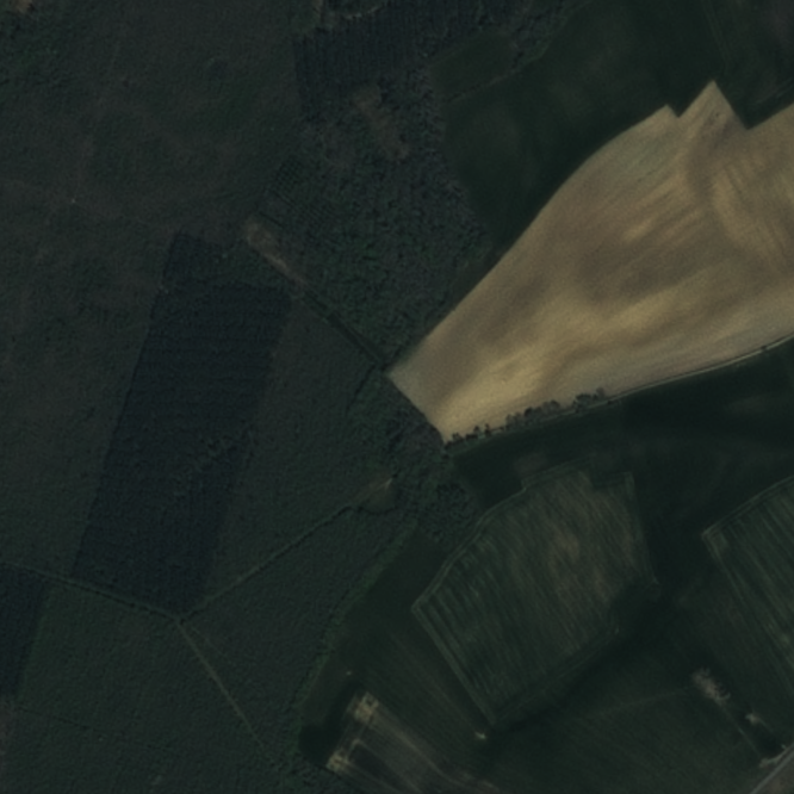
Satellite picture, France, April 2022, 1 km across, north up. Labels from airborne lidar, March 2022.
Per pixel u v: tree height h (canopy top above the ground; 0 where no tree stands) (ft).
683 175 0
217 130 29
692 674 0
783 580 0
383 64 44
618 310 0
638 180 0
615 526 0
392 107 70
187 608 49
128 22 32
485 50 0
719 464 0
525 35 51
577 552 0
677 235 0
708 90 0
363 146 58
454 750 0
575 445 0
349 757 0
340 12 53
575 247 0
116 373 37
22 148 32
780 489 0
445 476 70
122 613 39
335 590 42
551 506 0
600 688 0
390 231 69
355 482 35
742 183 0
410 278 63
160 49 39
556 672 0
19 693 52
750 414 0
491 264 0
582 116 0
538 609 0
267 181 41
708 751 0
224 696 26
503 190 0
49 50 31
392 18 48
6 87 45
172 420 52
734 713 0
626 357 0
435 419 0
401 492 24
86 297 40
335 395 40
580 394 0
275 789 44
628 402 0
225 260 56
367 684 0
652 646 0
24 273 29
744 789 0
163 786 40
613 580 0
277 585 32
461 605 0
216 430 53
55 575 34
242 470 53
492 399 0
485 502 0
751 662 0
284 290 44
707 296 0
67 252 32
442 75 0
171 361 53
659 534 0
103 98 34
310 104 43
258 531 35
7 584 53
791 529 0
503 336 0
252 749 36
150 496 57
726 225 0
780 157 0
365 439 46
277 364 53
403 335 53
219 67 26
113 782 41
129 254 35
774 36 0
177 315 46
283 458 31
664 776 0
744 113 0
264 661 36
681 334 0
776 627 0
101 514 50
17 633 56
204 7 45
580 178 0
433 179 69
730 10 0
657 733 0
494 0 43
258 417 52
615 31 0
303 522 30
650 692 0
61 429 34
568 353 0
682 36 0
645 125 0
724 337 0
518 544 0
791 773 0
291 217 40
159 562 56
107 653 40
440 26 52
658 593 0
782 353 0
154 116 39
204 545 52
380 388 50
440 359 0
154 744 24
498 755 0
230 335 52
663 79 0
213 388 52
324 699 0
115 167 34
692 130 0
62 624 25
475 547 0
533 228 0
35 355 34
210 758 35
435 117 59
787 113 0
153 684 38
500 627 0
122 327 29
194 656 29
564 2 31
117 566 52
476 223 42
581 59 0
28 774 30
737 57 0
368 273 66
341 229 67
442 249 61
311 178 18
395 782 0
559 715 0
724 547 0
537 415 47
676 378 0
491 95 0
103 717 30
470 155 0
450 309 55
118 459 54
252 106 30
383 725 0
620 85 0
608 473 0
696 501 0
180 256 52
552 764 0
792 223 0
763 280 0
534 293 0
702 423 0
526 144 0
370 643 0
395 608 0
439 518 62
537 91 0
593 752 0
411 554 0
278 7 34
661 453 0
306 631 42
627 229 0
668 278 0
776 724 0
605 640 0
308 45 43
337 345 39
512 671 0
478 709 0
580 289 0
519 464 0
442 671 0
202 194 34
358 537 40
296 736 39
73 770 29
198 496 54
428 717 0
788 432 0
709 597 0
